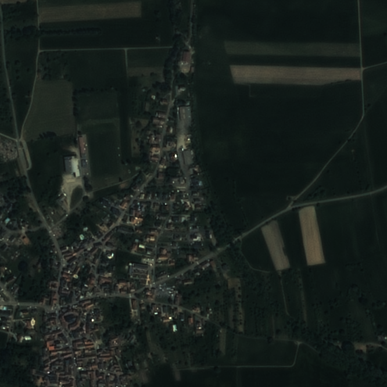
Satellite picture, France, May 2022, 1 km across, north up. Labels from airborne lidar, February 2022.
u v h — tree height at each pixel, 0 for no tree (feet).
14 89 0
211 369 0
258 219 0
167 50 0
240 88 0
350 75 0
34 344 0
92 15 0
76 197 0
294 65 0
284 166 0
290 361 0
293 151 0
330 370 0
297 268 0
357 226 0
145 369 0
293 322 18
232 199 0
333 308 30
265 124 0
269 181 0
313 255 0
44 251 47
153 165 0
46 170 0
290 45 0
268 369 0
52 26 0
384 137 0
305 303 0
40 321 0
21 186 50
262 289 34
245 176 0
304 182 0
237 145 0
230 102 0
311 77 0
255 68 0
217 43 0
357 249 0
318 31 0
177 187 0
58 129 0
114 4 0
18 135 0
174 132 0
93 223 0
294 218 0
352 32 0
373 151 0
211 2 0
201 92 0
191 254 0
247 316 0
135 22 0
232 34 0
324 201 0
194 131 27
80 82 0
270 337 29
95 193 0
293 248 0
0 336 0
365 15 0
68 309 0
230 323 0
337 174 0
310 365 0
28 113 0
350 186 0
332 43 0
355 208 0
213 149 0
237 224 0
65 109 0
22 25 0
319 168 0
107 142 0
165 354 0
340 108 0
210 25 0
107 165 0
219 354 45
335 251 0
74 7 0
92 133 0
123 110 0
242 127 0
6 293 0
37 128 0
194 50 0
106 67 0
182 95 0
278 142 0
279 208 0
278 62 0
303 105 0
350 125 0
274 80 0
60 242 0
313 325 0
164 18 0
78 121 0
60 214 0
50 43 0
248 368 0
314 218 0
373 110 0
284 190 0
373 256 0
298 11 0
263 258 0
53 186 0
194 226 0
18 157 0
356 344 0
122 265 0
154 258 0
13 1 0
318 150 0
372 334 0
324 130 0
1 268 0
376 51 0
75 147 0
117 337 0
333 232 0
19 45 0
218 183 0
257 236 0
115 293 0
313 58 0
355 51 0
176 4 43
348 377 24
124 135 0
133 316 0
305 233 0
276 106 0
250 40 0
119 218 0
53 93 0
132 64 0
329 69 0
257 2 0
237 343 0
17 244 0
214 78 0
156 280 0
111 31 0
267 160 0
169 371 0
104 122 0
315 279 0
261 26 0
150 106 0
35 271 0
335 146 0
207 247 0
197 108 0
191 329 0
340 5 0
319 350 36
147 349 0
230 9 0
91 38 0
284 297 0
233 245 56
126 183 0
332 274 0
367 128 0
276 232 0
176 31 19
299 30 0
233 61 0
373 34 0
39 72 27
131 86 0
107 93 0
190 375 0
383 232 0
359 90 0
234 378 0
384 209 0
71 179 0
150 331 0
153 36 0
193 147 31
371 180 0
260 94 0
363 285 0
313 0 0
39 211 0
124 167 0
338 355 57
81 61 0
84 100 0
